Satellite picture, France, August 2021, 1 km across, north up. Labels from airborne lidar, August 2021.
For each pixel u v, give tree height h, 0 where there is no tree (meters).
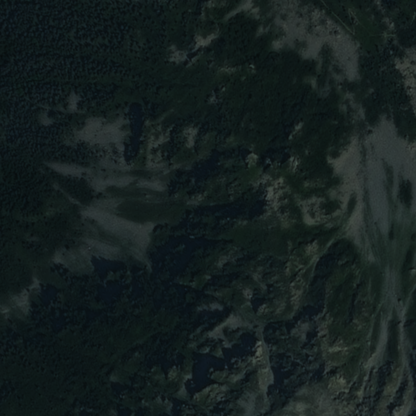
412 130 0
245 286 0
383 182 0
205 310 0
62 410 0
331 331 0
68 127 9
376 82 0
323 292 0
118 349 0
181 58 0
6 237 8
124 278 8
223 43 9
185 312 7
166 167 0
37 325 7
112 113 0
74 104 0
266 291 0
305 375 0
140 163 0
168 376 6
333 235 0
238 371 0
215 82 0
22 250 0
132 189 0
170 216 0
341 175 0
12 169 12
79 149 9
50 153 8
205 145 0
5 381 9
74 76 7
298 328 0
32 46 14
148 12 0
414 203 0
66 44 7
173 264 0
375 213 0
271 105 6
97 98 10
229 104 12
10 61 8
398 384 0
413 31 6
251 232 0
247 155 0
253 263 0
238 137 0
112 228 0
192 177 7
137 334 0
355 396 0
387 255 0
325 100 7
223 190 0
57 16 12
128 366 0
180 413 8
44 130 13
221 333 0
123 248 0
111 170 0
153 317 0
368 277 0
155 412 0
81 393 0
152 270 0
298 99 6
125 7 10
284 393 0
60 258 0
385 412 0
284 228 0
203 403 0
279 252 0
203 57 0
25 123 7
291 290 0
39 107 7
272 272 0
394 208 0
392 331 0
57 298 10
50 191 7
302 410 0
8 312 0
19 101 13
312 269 0
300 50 0
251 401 0
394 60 0
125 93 0
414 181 0
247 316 0
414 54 0
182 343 0
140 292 10
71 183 10
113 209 0
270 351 0
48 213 0
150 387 0
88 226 0
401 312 0
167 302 6
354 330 0
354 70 0
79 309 6
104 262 0
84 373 5
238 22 7
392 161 0
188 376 0
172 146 9
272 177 0
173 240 7
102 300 9
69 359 9
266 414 0
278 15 0
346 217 0
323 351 0
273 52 9
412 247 0
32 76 17
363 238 0
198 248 6
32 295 0
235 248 0
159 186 0
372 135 0
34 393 0
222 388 0
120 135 0
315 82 0
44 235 7
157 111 7
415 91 0
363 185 0
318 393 0
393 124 0
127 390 8
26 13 18
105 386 0
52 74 16
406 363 0
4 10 10
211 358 0
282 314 0
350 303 0
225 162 0
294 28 0
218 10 12
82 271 0
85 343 7
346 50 0
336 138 8
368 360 0
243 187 0
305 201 0
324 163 7
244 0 0
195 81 0
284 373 0
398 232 0
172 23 0
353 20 12
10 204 11
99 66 21
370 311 0
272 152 7
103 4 6
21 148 9
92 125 0
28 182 8
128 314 6
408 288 0
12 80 8
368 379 0
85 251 0
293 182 0
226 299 0
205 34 0
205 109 0
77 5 12
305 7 0
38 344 7
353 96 0
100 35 8
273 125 6
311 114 11
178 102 0
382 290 0
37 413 0
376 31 0
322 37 0
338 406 0
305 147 7
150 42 12
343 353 0
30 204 9
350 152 0
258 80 6
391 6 7
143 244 0
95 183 0
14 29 18
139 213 0
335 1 0
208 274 0
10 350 8
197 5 7
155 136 0
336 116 8
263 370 0
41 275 0
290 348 0
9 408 0
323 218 0
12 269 5
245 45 10
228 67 6
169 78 0
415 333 0
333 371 0
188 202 0
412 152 0
